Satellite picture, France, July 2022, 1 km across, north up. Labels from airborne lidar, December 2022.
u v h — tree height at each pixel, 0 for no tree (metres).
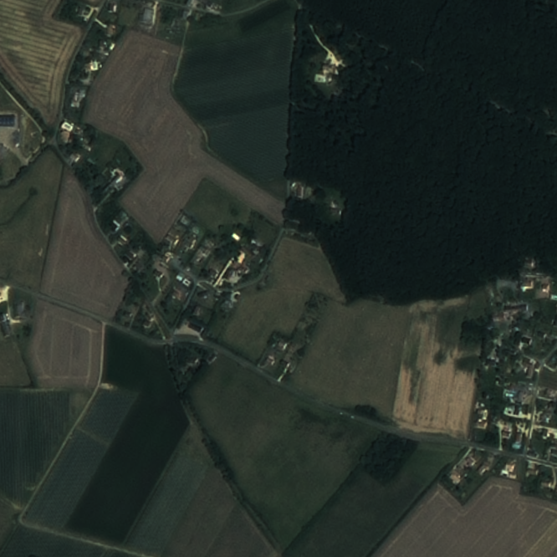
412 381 0
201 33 0
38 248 0
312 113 27
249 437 0
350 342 0
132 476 0
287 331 0
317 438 0
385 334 0
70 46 0
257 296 0
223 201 0
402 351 0
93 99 0
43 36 0
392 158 27
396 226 26
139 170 6
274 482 0
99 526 0
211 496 0
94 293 0
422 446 0
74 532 0
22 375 0
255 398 0
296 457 0
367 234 18
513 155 31
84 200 0
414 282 25
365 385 0
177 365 8
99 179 21
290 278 0
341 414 0
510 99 27
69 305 0
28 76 0
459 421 0
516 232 13
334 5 17
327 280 0
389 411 0
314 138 26
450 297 10
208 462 0
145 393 0
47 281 0
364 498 0
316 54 23
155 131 0
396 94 18
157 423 0
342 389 0
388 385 0
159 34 0
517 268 16
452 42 31
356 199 26
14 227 0
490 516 0
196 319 11
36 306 0
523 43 25
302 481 0
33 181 0
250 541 0
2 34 0
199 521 0
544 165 32
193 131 0
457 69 24
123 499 0
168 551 0
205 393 0
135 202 0
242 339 0
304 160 22
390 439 14
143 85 0
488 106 26
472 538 0
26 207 0
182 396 11
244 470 0
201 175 0
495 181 33
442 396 0
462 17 26
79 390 0
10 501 0
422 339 0
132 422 0
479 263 28
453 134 27
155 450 0
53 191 0
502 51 28
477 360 0
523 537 0
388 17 16
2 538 0
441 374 0
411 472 0
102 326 0
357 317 0
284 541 0
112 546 0
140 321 7
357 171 29
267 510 0
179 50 0
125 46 0
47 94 0
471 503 0
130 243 7
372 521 0
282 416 0
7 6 0
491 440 5
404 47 20
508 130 30
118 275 0
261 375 0
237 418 0
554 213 30
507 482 0
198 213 0
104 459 0
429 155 24
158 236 0
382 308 0
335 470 0
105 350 0
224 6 0
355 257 18
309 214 23
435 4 15
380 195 24
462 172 30
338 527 0
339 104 23
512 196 31
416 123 21
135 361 0
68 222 0
